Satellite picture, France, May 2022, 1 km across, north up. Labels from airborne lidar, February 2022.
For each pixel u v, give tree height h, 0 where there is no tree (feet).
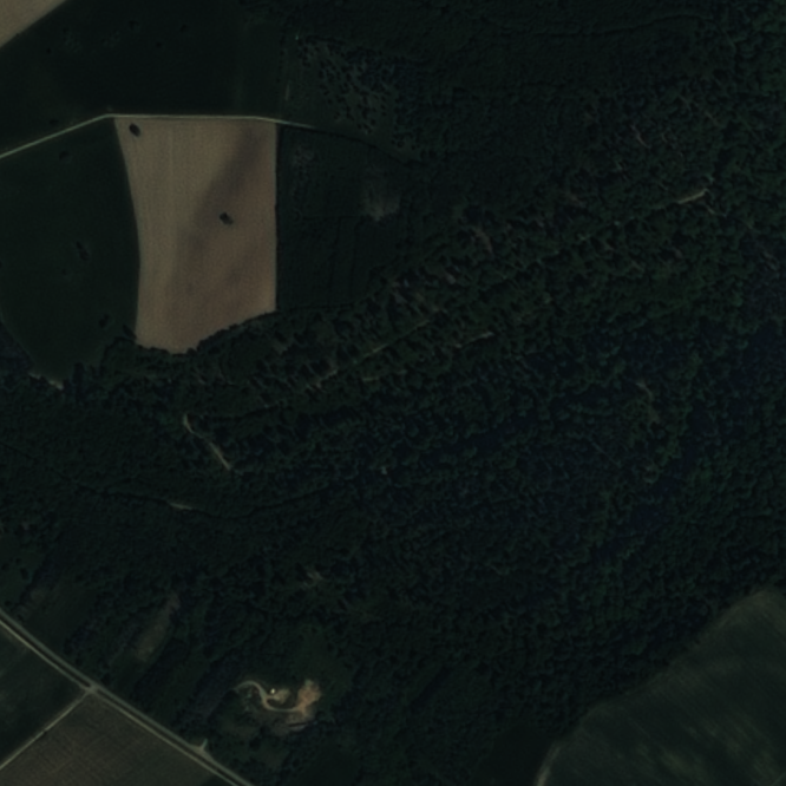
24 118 0
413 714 52
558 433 111
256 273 0
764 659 0
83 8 0
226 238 0
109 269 0
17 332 0
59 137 0
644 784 0
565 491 121
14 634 0
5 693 0
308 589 118
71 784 0
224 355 35
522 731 0
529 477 110
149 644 0
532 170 48
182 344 0
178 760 0
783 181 88
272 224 0
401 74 31
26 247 0
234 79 0
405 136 24
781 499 111
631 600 112
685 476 118
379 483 115
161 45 25
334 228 0
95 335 0
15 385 65
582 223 93
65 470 45
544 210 22
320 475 52
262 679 28
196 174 0
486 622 60
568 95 48
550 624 36
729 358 87
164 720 0
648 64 52
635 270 119
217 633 51
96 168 0
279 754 0
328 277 0
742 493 109
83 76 0
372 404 134
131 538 54
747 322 73
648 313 128
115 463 49
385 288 104
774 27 93
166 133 0
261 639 49
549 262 86
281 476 108
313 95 0
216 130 0
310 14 68
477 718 60
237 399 52
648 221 101
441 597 119
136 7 0
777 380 115
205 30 0
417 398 138
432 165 41
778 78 121
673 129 66
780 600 0
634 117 82
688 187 80
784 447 106
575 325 29
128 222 0
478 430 38
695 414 97
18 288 0
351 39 46
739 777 0
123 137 0
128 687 0
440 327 110
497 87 56
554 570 103
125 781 0
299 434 27
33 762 0
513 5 60
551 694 66
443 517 58
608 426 113
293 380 116
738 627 0
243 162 0
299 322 35
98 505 53
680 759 0
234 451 124
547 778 0
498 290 102
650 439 0
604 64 44
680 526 97
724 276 85
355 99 0
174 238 0
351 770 0
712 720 0
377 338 101
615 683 88
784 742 0
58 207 0
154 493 31
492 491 112
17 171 0
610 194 79
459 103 45
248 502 44
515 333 72
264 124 0
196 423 50
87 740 0
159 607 98
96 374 58
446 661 32
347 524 50
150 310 0
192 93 0
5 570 24
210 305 0
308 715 0
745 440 112
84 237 0
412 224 37
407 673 46
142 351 30
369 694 49
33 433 53
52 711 0
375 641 39
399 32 68
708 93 79
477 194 57
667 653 107
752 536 102
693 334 59
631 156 72
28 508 48
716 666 0
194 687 0
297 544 50
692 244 88
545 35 45
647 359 128
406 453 129
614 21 46
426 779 50
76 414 54
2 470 86
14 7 0
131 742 0
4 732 0
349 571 98
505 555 108
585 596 129
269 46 0
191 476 36
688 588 82
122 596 54
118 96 0
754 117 92
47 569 54
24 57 0
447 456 114
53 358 0
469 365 73
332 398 33
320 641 0
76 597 0
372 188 0
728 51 49
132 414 95
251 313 0
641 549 120
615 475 123
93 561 52
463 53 54
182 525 58
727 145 85
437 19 77
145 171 0
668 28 40
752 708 0
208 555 54
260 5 67
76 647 49
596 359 115
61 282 0
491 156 53
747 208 89
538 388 132
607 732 0
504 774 0
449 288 106
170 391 142
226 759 33
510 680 50
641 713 0
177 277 0
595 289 98
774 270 110
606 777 0
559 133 44
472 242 115
